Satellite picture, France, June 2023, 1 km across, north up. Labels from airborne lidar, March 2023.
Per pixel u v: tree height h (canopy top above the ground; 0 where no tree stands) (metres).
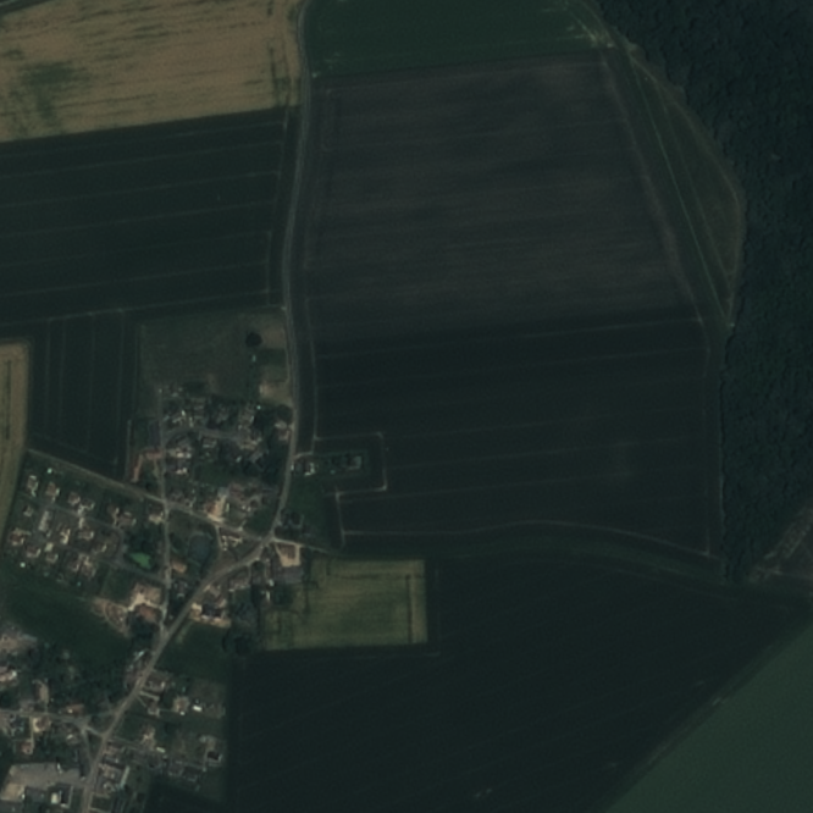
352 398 0
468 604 0
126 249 0
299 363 0
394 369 0
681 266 0
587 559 0
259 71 0
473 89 0
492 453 0
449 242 0
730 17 23
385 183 0
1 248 0
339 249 0
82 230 0
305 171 0
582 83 0
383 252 0
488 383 0
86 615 0
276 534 7
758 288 18
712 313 0
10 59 0
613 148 0
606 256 0
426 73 0
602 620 0
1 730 0
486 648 0
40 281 0
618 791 0
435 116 0
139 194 0
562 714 0
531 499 0
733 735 0
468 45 0
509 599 0
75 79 0
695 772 0
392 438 0
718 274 0
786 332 23
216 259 0
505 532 0
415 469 0
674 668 0
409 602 0
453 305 0
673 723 0
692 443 0
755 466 19
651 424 0
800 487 15
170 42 0
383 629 0
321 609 0
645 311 0
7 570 0
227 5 0
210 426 10
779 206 21
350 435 0
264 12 0
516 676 0
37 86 0
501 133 0
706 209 0
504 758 0
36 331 0
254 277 0
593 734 0
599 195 0
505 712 0
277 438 9
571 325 0
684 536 0
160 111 0
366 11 0
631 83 0
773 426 22
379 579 0
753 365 14
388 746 0
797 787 0
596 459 0
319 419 0
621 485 0
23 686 0
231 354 0
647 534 0
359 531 0
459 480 0
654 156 0
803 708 0
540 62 0
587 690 0
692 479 0
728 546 11
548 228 0
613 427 0
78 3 0
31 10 0
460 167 0
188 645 0
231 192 0
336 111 0
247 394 0
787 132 22
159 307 0
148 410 0
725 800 0
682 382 0
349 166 0
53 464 0
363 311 0
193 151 0
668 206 0
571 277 0
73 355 0
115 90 0
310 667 0
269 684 0
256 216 0
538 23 0
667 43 21
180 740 0
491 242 0
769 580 0
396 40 0
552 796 0
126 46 0
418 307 0
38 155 0
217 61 0
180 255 0
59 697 7
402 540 0
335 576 0
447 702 0
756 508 14
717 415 0
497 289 0
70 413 0
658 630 0
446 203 0
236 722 0
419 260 0
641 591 0
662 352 0
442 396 0
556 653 0
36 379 0
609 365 0
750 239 14
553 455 0
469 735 0
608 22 14
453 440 0
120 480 0
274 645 0
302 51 0
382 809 0
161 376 0
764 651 0
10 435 0
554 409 0
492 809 0
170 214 0
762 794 0
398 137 0
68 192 0
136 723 0
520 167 0
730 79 25
